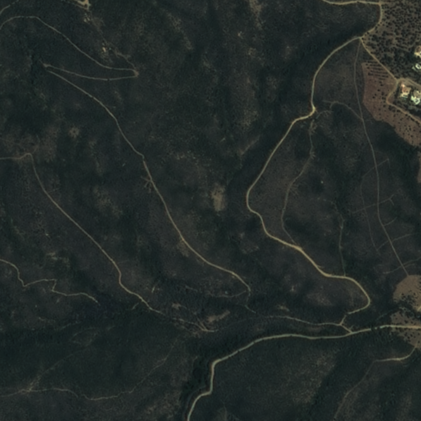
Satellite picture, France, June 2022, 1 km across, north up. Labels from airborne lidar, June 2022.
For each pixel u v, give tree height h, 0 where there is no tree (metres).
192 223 0
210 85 8
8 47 6
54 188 6
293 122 0
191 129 6
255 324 9
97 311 6
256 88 9
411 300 8
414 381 0
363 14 0
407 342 6
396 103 6
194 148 5
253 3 0
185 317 7
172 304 6
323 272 0
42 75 9
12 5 8
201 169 0
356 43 0
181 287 9
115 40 0
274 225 0
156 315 7
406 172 7
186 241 0
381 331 9
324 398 8
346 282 0
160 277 9
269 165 0
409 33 7
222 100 11
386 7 6
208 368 6
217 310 8
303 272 0
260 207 0
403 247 0
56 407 0
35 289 6
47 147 0
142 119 0
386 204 0
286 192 0
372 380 0
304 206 0
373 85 0
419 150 9
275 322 8
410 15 8
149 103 0
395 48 7
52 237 8
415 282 0
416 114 11
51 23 7
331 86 0
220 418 0
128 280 0
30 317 0
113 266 0
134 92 0
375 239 0
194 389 8
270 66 9
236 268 7
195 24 9
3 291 6
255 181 0
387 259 0
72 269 9
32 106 9
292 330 6
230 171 6
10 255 0
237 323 10
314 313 8
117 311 9
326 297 0
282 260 0
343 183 7
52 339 10
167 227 0
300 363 0
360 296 0
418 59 7
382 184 0
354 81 0
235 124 8
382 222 0
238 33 0
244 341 10
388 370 0
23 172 6
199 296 10
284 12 8
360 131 0
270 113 8
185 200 0
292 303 6
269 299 8
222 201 0
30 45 8
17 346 7
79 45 8
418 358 7
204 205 0
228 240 7
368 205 0
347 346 6
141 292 0
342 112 8
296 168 0
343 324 6
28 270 0
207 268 0
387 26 7
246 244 0
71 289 8
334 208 7
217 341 9
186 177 0
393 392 8
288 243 0
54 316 5
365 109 0
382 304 8
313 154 0
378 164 0
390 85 0
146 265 7
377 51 7
